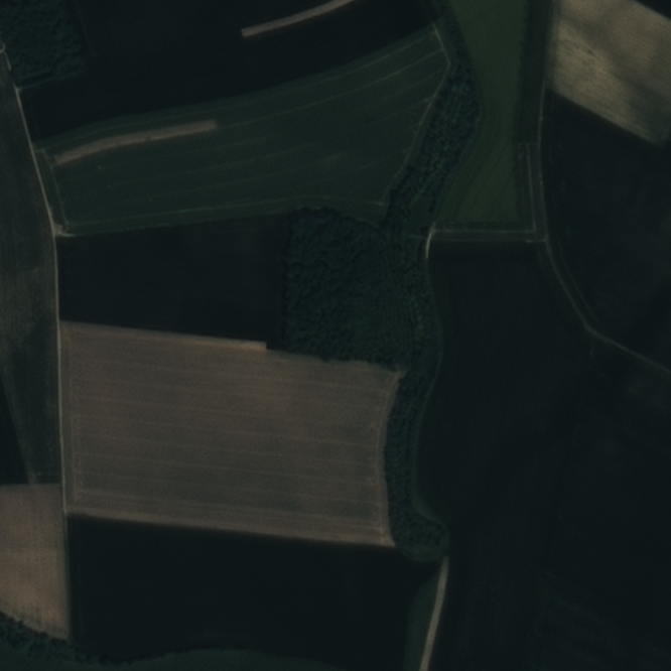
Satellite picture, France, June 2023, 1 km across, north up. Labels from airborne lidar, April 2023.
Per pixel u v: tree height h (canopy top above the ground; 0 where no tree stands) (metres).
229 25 0
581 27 0
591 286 0
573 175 0
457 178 0
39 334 0
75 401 0
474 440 0
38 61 19
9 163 0
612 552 0
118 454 0
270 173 0
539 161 0
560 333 0
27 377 0
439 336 9
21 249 0
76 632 0
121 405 0
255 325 0
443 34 0
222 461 0
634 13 0
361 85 0
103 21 0
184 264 0
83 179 0
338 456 0
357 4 0
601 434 0
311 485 0
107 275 0
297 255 19
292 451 0
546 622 0
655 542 0
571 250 0
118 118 0
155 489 0
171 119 0
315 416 0
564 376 0
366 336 17
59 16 10
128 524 0
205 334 0
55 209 0
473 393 0
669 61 0
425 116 0
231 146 0
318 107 0
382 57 0
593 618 0
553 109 0
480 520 0
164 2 0
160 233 0
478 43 0
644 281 0
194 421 0
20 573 0
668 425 0
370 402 0
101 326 0
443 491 0
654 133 0
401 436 6
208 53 0
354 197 0
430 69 0
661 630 0
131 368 0
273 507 0
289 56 0
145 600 0
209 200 0
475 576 0
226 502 0
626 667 0
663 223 0
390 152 0
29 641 16
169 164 0
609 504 0
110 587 0
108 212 0
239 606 0
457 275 0
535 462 0
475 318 0
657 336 0
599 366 0
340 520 0
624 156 0
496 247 0
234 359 0
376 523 0
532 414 0
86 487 0
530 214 0
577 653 0
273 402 0
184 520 0
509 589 0
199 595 0
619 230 0
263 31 0
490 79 0
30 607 0
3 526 0
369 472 0
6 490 0
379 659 0
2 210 0
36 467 0
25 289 0
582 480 0
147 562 0
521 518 0
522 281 0
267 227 0
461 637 0
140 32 0
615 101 0
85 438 0
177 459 0
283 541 0
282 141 0
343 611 0
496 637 0
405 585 0
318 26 0
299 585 0
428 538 6
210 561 0
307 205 0
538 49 0
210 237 0
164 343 0
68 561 0
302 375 0
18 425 0
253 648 0
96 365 0
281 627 0
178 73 0
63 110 0
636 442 0
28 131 0
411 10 0
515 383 0
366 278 18
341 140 0
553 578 0
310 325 24
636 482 0
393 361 22
